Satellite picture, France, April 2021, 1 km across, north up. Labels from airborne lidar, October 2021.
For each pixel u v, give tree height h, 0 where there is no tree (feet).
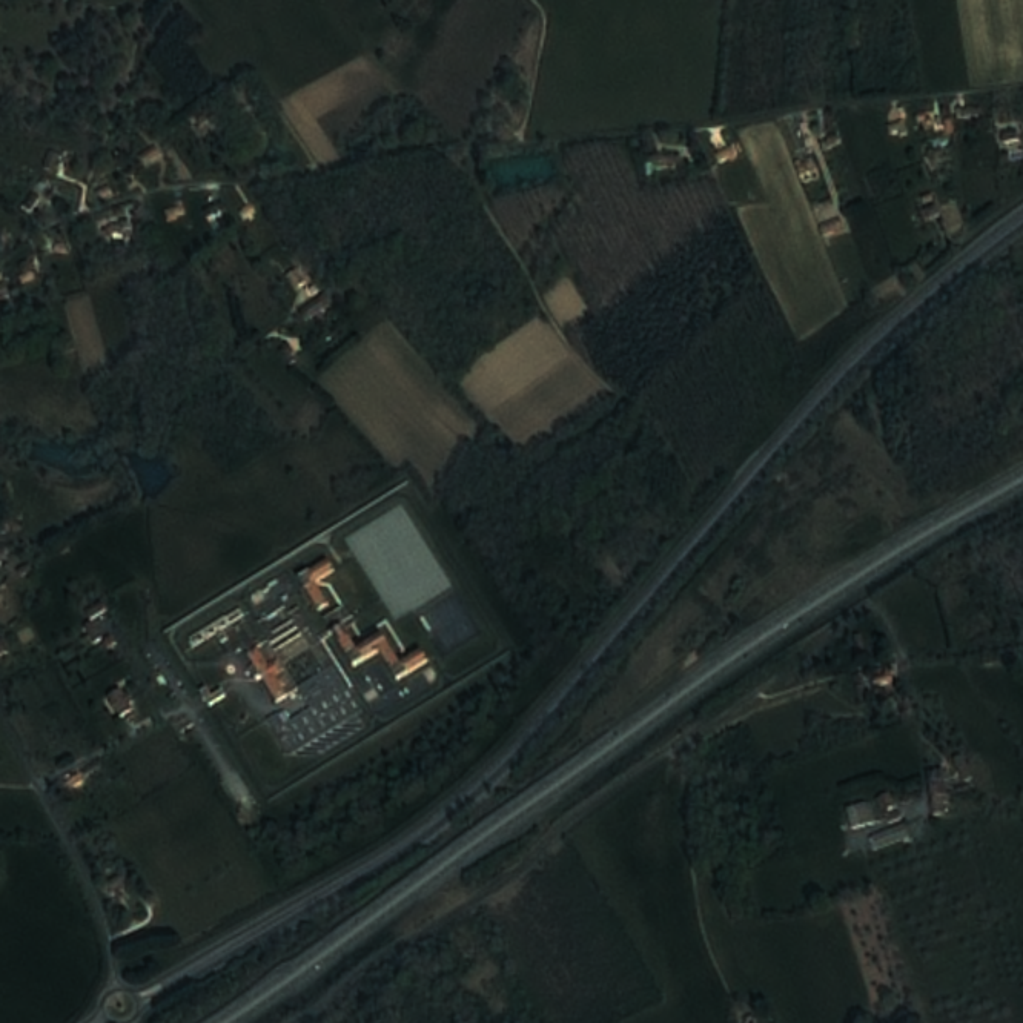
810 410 0
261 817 0
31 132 43
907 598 0
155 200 0
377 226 70
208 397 33
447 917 0
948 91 0
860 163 0
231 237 72
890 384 54
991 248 0
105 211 38
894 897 24
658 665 0
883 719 48
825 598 0
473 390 0
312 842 51
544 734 60
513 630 0
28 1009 0
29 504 0
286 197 56
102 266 56
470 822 28
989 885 22
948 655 33
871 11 30
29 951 0
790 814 0
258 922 0
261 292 0
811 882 0
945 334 81
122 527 0
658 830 0
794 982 0
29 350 86
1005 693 0
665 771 0
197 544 0
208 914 0
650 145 42
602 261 67
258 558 0
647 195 66
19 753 0
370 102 0
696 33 0
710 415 69
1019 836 0
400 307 44
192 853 0
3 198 21
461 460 52
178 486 0
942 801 0
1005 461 44
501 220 57
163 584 0
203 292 48
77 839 42
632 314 50
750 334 64
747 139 0
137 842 0
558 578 0
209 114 49
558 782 0
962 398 50
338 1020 40
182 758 0
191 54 55
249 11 0
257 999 0
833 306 0
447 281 39
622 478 68
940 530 0
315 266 68
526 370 0
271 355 39
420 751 38
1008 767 0
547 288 39
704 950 0
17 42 0
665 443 50
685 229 66
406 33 33
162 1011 42
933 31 0
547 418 0
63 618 0
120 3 0
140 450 36
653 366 55
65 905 0
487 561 39
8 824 0
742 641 0
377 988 44
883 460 0
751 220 0
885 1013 51
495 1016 19
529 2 0
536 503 63
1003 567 79
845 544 0
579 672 0
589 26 0
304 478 0
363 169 62
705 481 55
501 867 26
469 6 0
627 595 33
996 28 0
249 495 0
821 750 26
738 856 78
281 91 0
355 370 0
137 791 0
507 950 22
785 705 0
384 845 0
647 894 0
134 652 32
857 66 33
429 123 45
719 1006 0
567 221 60
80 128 54
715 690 0
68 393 0
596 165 66
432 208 69
